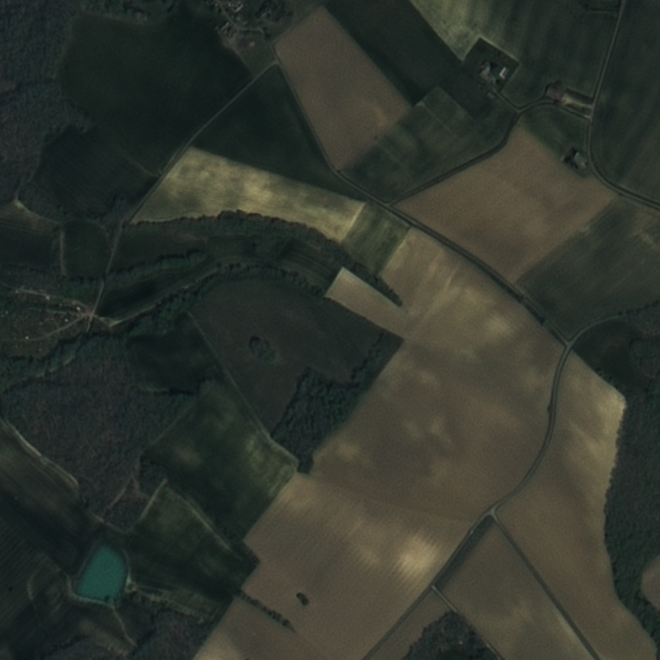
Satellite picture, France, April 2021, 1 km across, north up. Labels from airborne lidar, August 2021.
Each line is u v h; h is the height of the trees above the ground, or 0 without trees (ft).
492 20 0
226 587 0
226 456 0
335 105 0
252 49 0
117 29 0
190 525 0
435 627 39
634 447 56
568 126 0
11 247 0
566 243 0
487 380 0
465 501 0
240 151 0
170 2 42
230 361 0
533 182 0
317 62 0
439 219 0
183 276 0
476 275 0
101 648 27
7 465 0
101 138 0
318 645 0
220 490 0
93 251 0
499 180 0
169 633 41
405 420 0
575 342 0
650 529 42
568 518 0
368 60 0
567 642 0
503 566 0
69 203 0
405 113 0
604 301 0
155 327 21
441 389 0
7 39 59
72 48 0
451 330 0
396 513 0
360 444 0
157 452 0
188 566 0
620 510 50
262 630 0
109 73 0
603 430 0
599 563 0
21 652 0
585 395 0
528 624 0
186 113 0
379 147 0
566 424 0
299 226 34
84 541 0
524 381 0
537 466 0
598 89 0
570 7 0
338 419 45
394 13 0
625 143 0
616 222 0
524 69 0
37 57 65
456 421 0
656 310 45
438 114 0
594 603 0
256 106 0
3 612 0
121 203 35
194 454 0
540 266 0
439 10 0
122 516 40
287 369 0
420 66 0
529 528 0
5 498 0
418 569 0
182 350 0
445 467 0
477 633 43
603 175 0
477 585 0
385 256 0
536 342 0
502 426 0
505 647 0
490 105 0
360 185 0
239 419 0
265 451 0
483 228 0
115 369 22
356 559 0
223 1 25
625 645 0
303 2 0
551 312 0
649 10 0
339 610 0
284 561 0
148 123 0
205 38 0
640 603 54
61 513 0
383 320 0
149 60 0
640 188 0
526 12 0
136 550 0
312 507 0
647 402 19
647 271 0
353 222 0
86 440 38
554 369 0
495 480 0
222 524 39
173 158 0
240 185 0
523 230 0
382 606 0
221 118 0
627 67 0
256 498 0
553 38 0
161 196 0
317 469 0
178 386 0
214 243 0
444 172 0
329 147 0
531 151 0
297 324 0
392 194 0
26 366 37
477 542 0
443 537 0
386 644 0
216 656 0
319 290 22
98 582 0
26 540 0
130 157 0
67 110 59
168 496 0
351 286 0
